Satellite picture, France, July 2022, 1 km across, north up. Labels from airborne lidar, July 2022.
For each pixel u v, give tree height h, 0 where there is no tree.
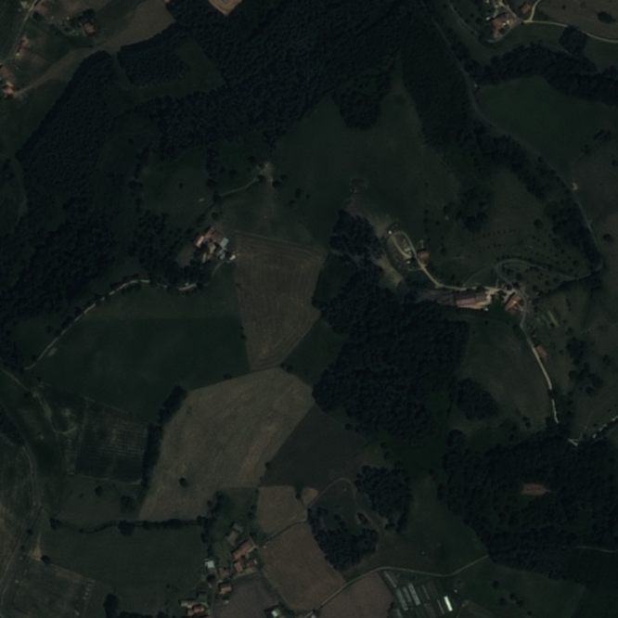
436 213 0
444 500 9
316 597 0
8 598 0
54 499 0
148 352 0
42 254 22
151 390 0
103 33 0
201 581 0
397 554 0
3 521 0
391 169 0
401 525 17
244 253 0
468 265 0
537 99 0
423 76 7
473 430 0
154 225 9
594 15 0
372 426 20
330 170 0
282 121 36
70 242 10
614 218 0
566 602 0
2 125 0
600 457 24
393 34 6
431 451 0
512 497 8
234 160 0
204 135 34
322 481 0
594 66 15
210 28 34
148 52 31
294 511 0
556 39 0
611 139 12
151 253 15
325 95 23
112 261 15
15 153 0
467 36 0
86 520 0
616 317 0
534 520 8
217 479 0
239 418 0
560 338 0
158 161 0
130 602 0
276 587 0
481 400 20
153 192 0
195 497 0
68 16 0
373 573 0
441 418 0
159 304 0
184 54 0
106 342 0
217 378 0
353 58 8
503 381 0
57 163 30
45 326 0
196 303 0
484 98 0
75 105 28
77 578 0
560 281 9
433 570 0
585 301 0
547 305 0
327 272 0
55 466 0
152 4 0
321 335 0
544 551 29
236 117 30
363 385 24
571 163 0
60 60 0
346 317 23
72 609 0
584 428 0
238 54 30
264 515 0
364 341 23
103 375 0
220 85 0
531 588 0
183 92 0
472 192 8
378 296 22
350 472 0
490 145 21
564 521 6
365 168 0
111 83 25
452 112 7
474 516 15
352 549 11
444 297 0
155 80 28
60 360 0
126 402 0
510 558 20
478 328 0
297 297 0
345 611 0
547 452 33
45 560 11
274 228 0
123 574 0
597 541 7
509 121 0
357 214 0
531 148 0
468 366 0
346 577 0
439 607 0
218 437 0
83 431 0
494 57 0
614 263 0
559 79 30
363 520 13
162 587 0
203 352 0
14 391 0
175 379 0
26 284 26
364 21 9
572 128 0
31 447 0
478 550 0
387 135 0
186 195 0
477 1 8
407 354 30
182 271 7
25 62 0
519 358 0
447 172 0
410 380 8
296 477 0
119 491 0
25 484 0
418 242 0
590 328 0
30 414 0
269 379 0
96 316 0
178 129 32
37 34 0
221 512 10
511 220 0
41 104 0
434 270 6
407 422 28
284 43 31
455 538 0
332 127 0
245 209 0
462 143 12
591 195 0
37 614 0
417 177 0
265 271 0
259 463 0
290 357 0
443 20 7
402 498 19
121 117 8
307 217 0
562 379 0
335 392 24
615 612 0
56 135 31
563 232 14
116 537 0
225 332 0
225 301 0
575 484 24
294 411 0
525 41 0
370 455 0
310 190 0
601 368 0
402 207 0
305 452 0
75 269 14
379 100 7
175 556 0
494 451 11
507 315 0
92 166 21
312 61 30
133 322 0
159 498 0
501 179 0
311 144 0
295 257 0
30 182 8
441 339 22
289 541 0
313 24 29
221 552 0
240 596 0
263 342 0
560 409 11
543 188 6
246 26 23
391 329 14
